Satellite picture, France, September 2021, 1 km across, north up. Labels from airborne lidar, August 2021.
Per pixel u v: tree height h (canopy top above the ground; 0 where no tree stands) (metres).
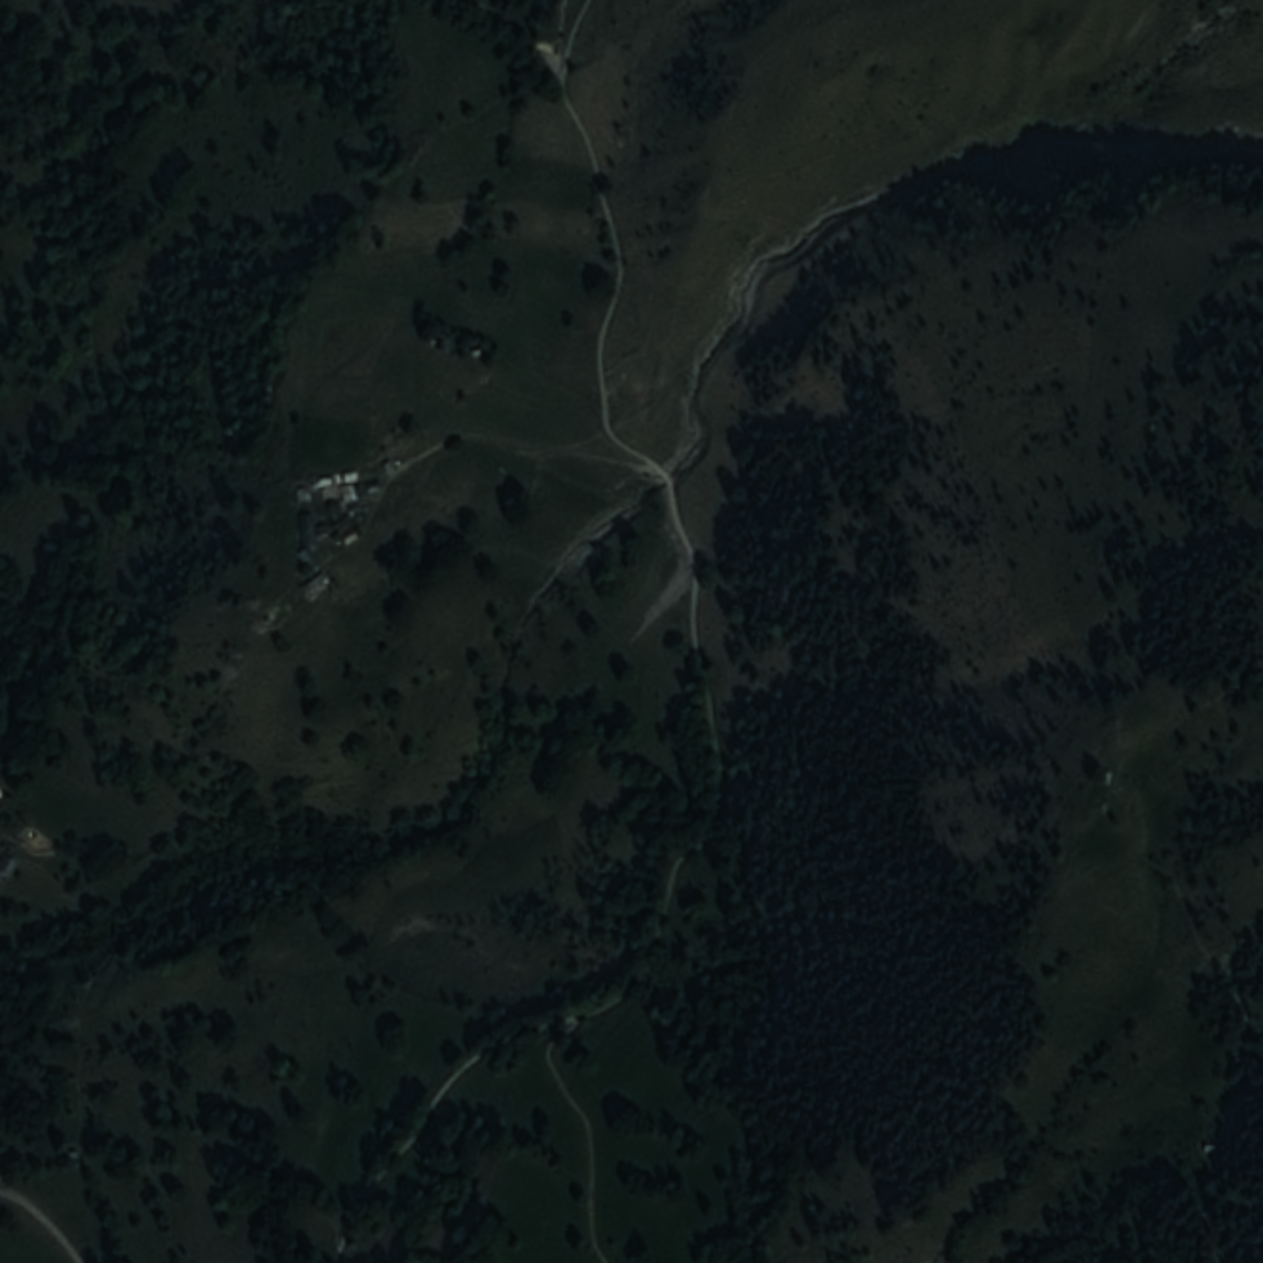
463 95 0
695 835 15
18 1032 14
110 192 17
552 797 19
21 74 22
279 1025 0
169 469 18
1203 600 21
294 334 0
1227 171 16
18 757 23
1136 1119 0
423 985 0
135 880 0
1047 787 0
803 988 25
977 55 0
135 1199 0
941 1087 30
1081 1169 6
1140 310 0
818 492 17
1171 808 0
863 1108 23
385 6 11
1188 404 0
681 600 0
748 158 0
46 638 9
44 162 13
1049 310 0
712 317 0
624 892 23
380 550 0
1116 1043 0
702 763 21
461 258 13
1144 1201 21
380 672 0
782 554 19
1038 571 0
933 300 0
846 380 9
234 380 12
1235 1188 23
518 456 0
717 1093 12
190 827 12
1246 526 0
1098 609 0
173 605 12
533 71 11
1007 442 0
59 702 12
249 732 0
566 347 0
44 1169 7
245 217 0
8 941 0
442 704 0
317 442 0
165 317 20
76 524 19
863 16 0
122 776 21
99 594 12
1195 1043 0
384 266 0
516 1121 0
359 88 16
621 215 0
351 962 14
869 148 0
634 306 0
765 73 0
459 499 0
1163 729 0
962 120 0
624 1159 0
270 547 0
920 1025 24
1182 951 0
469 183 0
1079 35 0
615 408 0
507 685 6
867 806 15
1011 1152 19
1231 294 0
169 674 10
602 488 0
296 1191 21
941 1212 0
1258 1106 16
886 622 14
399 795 0
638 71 0
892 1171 23
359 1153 0
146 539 10
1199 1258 20
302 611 0
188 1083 13
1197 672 15
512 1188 0
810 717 14
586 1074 14
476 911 0
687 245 0
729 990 15
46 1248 0
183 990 0
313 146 0
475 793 22
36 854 0
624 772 17
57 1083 13
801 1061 20
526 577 0
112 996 0
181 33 11
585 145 0
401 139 0
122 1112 0
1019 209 15
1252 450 8
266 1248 13
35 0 0
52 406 0
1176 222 0
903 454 12
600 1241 0
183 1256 8
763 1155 15
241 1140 11
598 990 14
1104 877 0
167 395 18
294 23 16
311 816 11
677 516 0
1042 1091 0
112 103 16
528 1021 15
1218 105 0
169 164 0
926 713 7
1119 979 0
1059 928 0
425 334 16
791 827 13
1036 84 0
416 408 0
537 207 0
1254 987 9
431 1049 0
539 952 0
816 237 0
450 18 12
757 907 15
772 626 12
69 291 16
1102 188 7
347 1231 12
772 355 10
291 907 20
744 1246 15
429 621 0
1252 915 0
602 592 17
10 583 18
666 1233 0
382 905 0
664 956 11
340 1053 0
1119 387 0
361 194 0
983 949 20
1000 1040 25
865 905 19
